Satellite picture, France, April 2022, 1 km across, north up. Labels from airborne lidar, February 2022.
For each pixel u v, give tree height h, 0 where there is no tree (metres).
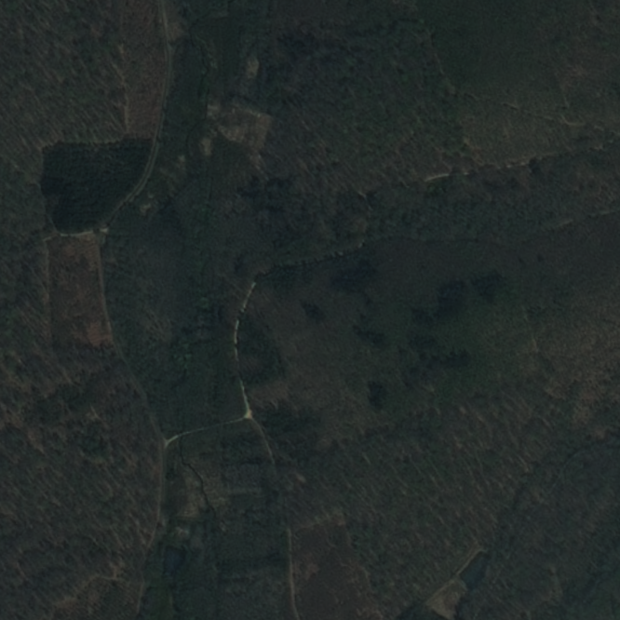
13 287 26
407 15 13
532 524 26
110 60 27
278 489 23
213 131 0
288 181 6
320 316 24
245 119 0
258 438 12
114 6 27
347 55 27
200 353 23
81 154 9
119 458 30
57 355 26
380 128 25
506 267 14
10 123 23
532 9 15
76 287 9
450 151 26
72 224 16
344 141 23
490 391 16
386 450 25
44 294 27
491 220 23
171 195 0
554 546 25
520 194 22
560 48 21
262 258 19
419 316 23
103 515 17
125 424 20
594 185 11
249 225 25
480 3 14
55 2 29
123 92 12
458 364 29
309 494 26
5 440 23
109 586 6
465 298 29
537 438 30
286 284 20
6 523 27
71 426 8
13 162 26
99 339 0
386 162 27
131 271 17
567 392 11
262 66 17
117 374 30
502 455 29
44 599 28
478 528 22
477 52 13
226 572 16
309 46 14
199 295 19
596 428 0
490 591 27
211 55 0
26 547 28
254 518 19
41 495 23
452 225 24
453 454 26
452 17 13
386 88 30
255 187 14
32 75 27
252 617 19
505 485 23
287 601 10
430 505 29
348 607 9
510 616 25
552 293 8
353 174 24
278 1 12
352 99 27
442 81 28
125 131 25
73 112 25
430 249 13
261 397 0
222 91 0
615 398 0
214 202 23
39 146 23
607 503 24
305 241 27
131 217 17
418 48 28
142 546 29
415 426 21
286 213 21
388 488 23
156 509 27
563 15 17
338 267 14
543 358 12
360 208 28
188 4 21
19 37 31
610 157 13
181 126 17
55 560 27
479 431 31
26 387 29
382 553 28
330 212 28
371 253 13
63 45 27
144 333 13
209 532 18
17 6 30
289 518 26
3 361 0
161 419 25
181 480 0
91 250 0
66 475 22
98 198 13
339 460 27
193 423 18
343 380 0
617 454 25
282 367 17
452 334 0
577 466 25
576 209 16
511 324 0
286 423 13
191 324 22
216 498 0
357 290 25
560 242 10
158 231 11
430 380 25
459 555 28
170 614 0
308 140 23
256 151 0
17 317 26
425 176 27
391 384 19
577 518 25
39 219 22
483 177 23
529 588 24
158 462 31
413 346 21
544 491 28
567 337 8
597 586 16
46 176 13
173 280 20
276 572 14
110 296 20
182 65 8
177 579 19
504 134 0
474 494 30
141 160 15
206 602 17
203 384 22
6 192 26
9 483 23
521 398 28
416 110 27
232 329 19
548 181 14
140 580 27
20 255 27
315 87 22
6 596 28
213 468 0
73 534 25
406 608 25
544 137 0
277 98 20
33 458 24
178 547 0
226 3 24
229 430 18
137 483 30
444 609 0
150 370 15
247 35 21
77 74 26
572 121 10
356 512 23
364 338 22
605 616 25
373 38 25
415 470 27
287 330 0
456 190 26
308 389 0
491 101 0
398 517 26
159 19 30
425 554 26
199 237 18
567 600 10
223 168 0
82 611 6
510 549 24
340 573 8
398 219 17
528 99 0
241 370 17
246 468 29
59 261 7
